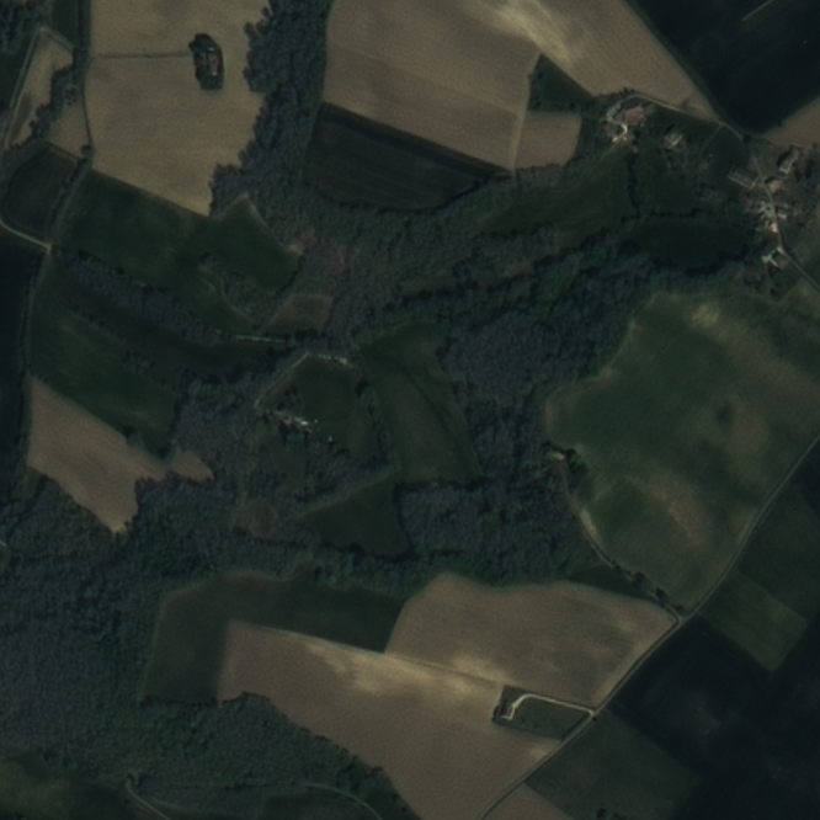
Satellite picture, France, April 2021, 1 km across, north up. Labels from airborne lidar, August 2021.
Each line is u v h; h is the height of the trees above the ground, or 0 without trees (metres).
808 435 0
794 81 0
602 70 0
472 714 0
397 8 0
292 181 18
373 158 0
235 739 22
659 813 0
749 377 0
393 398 0
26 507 10
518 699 0
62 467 0
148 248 0
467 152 0
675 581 0
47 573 10
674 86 0
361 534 0
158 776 20
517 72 0
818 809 0
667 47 0
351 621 0
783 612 0
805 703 0
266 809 10
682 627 0
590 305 16
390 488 0
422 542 23
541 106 9
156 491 20
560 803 0
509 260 25
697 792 0
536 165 0
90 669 23
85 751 20
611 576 0
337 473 13
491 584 14
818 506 0
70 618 21
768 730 0
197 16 0
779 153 0
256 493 9
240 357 0
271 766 22
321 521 0
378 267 16
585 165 20
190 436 20
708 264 0
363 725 0
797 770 0
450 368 20
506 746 0
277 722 21
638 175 24
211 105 0
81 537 12
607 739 0
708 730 0
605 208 0
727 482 0
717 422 0
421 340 0
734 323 0
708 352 0
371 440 0
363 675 0
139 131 0
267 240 0
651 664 0
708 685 0
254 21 0
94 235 0
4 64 0
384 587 17
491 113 0
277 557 14
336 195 0
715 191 10
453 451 0
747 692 0
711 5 0
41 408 0
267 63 27
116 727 19
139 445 19
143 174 0
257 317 11
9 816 0
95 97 0
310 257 13
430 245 22
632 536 0
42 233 0
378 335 22
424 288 0
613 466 0
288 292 12
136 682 13
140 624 11
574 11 0
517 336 21
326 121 0
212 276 0
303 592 0
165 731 18
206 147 0
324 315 0
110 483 0
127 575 13
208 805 21
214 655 0
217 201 11
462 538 26
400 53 0
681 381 0
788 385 0
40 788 0
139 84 0
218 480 7
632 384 0
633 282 16
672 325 0
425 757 0
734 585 0
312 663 0
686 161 13
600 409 0
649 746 0
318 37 13
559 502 22
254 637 0
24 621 17
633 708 0
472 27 0
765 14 0
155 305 22
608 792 0
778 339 0
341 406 0
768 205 0
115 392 0
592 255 23
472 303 32
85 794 0
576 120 0
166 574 6
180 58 0
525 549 27
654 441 0
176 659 0
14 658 23
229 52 0
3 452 0
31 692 20
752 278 12
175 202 0
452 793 0
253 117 0
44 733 23
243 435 19
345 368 0
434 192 0
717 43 0
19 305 0
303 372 0
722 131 0
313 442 16
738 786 0
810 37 0
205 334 16
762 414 0
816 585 0
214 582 0
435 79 0
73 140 0
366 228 19
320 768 19
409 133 0
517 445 10
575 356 21
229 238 0
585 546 21
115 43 0
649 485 0
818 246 0
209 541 15
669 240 0
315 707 0
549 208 0
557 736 0
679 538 0
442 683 0
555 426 0
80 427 0
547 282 23
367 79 0
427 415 0
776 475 0
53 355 0
